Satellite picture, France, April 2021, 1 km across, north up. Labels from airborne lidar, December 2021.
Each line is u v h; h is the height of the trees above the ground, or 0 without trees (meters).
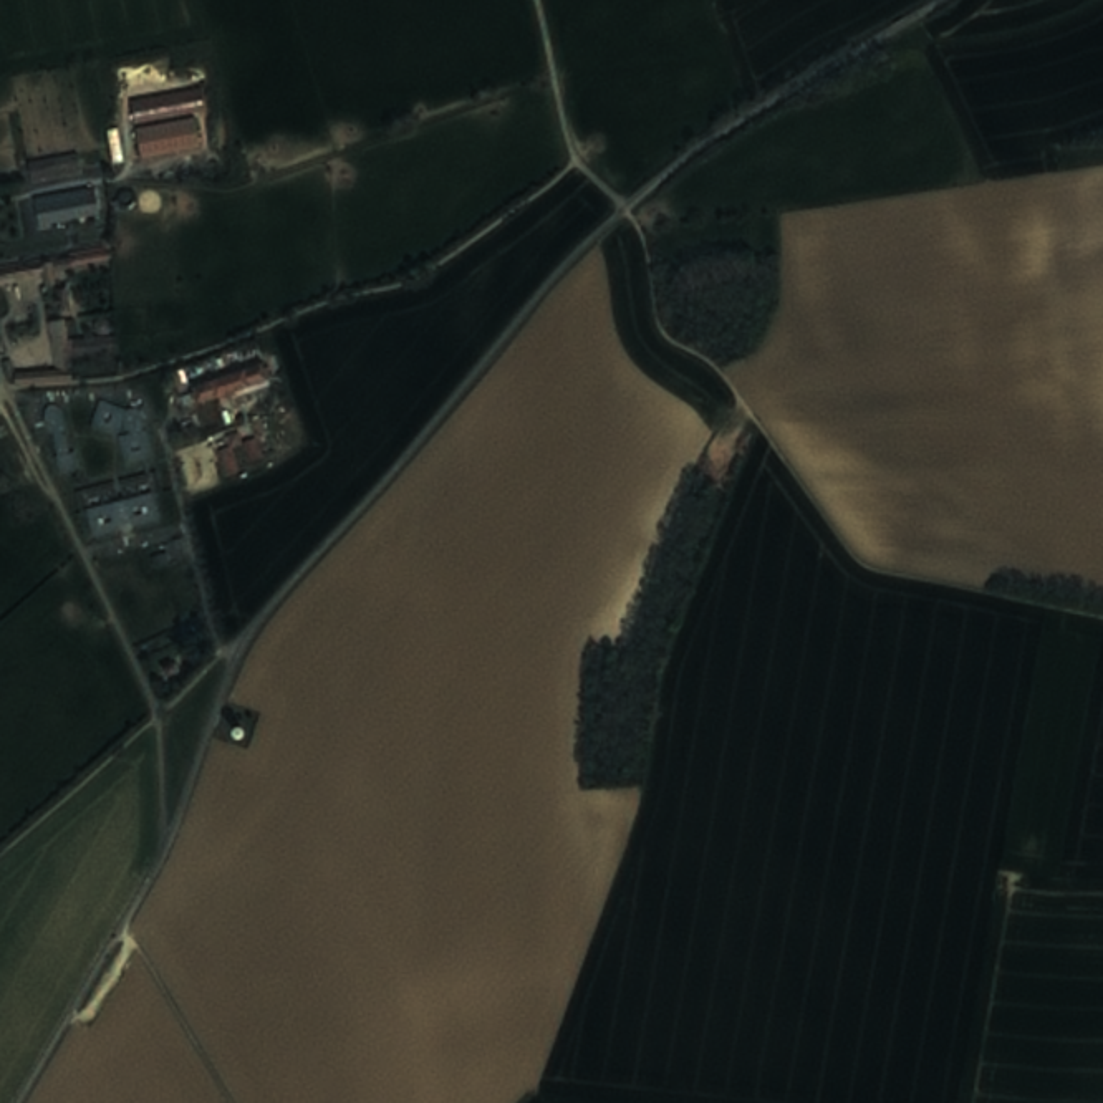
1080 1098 0
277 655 0
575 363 0
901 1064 0
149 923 0
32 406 0
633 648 15
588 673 9
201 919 0
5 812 0
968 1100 0
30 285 0
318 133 0
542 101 0
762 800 0
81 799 0
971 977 0
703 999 0
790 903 0
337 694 0
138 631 0
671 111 0
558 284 0
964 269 0
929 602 0
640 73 0
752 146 0
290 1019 0
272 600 0
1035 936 0
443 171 0
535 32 0
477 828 0
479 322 0
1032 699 0
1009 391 0
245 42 0
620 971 0
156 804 0
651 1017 0
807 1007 0
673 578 18
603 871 0
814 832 0
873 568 0
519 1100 0
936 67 0
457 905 0
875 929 0
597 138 0
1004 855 0
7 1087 0
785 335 0
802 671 0
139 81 0
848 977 0
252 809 0
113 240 9
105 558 0
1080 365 0
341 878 0
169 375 14
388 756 0
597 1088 0
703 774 0
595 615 0
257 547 0
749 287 20
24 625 0
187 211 0
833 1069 0
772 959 0
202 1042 0
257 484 0
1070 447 0
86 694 0
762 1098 0
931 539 0
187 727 0
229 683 0
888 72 14
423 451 0
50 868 0
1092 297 0
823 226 0
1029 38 0
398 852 0
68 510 0
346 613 0
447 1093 0
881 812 0
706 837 0
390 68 0
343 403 0
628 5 0
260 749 0
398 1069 0
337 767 0
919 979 0
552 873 0
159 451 0
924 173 0
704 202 0
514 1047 0
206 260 0
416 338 0
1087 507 0
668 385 0
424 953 0
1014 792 0
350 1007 0
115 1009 0
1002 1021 0
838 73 16
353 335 0
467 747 0
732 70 0
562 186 0
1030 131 0
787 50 0
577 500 0
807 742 0
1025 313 0
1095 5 0
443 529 0
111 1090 0
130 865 0
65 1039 0
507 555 0
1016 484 0
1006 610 0
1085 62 0
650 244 9
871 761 0
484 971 0
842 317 0
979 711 0
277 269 0
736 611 0
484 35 0
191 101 0
